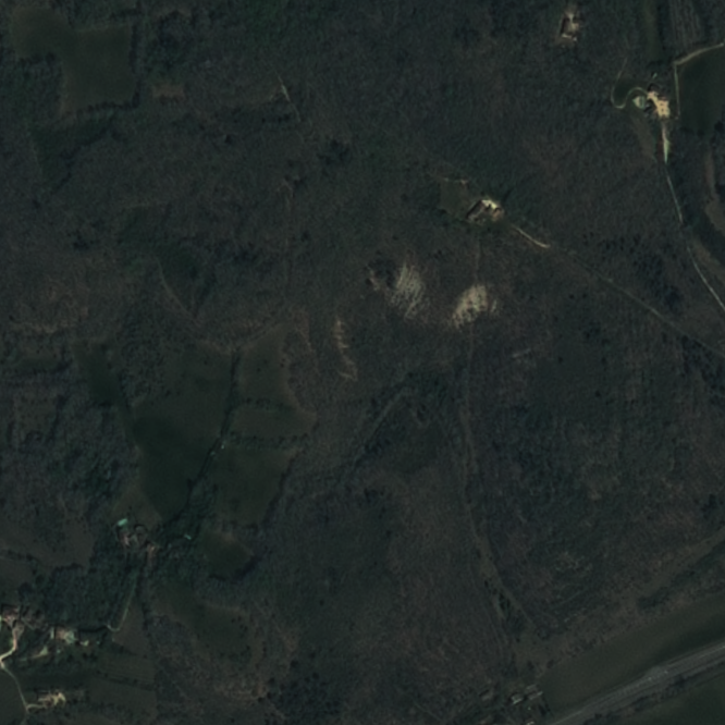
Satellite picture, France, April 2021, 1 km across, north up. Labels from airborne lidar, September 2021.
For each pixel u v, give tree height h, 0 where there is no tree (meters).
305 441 12
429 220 19
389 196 19
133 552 12
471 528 16
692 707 0
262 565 20
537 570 9
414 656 11
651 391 7
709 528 10
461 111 19
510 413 12
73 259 17
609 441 12
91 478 11
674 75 7
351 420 16
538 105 20
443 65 21
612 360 8
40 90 12
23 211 16
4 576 0
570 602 6
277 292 15
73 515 11
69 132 8
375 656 14
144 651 0
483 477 14
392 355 16
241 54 15
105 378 0
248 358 0
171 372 0
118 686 0
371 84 24
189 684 6
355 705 10
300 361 10
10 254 14
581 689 0
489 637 13
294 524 13
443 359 16
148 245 14
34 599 24
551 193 8
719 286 15
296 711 23
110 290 18
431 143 17
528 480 12
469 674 13
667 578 0
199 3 18
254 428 0
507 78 12
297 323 8
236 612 12
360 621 0
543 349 6
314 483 16
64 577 17
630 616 0
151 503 0
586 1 21
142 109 20
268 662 14
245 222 12
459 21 14
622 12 22
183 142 17
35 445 17
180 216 20
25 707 0
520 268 9
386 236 18
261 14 21
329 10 9
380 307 16
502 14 21
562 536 11
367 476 15
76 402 21
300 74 17
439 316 6
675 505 17
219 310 18
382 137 19
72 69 0
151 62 17
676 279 8
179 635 18
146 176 16
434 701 17
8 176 18
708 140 16
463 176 13
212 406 0
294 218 13
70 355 16
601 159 14
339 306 13
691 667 0
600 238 7
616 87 9
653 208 13
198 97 21
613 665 0
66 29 0
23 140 21
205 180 14
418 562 12
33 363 0
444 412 15
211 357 0
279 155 12
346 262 20
